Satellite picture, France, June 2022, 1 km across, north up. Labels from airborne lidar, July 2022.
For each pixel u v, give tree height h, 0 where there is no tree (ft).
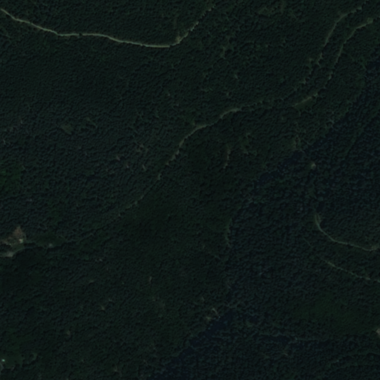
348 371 41
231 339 101
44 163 77
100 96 64
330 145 70
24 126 73
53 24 63
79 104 62
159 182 52
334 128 49
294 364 46
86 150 97
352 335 64
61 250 95
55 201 90
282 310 75
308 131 72
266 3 31
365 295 110
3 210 89
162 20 43
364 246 40
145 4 24
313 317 67
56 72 59
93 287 78
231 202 114
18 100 84
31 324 95
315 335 127
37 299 81
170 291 77
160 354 76
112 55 68
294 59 74
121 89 69
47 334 94
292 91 84
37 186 59
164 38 35
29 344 66
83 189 64
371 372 52
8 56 54
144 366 128
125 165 88
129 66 60
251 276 50
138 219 52
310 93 94
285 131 55
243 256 82
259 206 34
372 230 51
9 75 68
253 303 74
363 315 76
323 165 96
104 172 71
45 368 74
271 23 26
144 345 77
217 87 66
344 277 70
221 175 68
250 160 94
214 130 89
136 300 78
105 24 54
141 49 57
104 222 62
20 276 88
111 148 73
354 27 60
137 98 70
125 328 114
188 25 39
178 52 60
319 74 66
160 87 64
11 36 33
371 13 78
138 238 52
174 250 80
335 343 56
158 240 83
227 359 36
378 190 41
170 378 80
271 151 75
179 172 97
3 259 45
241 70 41
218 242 51
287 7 20
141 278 82
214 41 39
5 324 95
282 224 100
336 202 86
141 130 103
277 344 41
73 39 45
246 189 103
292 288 75
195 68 80
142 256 75
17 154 56
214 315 96
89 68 55
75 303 71
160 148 60
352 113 42
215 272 102
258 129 75
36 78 64
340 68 85
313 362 73
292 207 86
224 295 77
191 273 91
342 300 80
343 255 58
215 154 26
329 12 69
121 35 54
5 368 41
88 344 74
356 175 30
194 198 30
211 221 105
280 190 55
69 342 85
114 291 89
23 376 69
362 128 58
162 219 64
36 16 25
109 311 89
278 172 22
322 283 81
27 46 62
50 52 21
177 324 71
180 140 66
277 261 78
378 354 52
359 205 38
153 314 94
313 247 47
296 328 83
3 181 54
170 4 77
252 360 72
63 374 90
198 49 27
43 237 20
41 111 79
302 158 131
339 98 70
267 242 116
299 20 31
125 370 80
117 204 80
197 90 66
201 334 67
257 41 71
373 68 119
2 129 89
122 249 63
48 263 35
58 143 82
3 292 56
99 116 96
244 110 58
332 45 72
